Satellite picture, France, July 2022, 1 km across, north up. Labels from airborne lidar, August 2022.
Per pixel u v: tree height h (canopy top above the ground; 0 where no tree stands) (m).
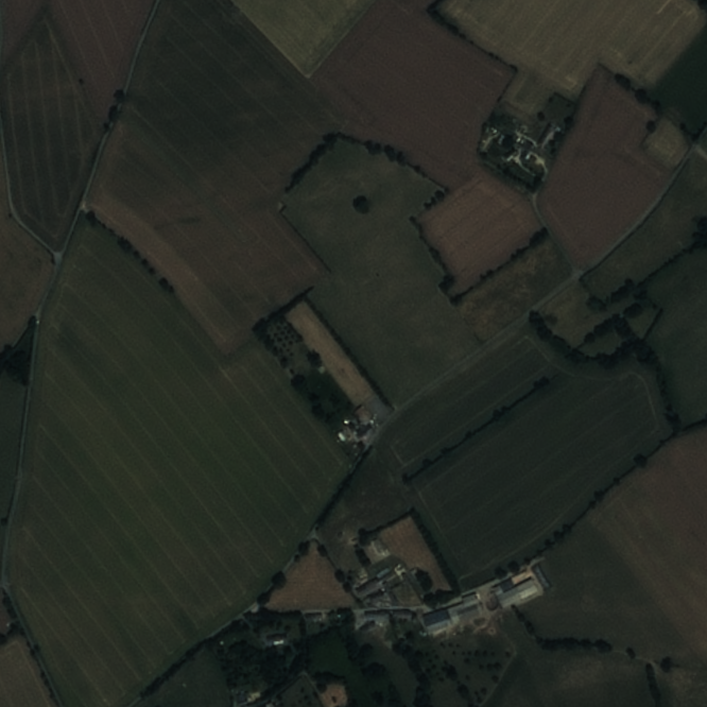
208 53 0
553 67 0
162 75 0
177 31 0
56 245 0
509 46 0
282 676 7
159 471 0
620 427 0
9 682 0
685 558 0
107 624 0
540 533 0
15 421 0
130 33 0
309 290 6
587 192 0
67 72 0
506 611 0
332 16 0
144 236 0
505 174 10
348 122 0
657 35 0
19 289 0
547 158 0
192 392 0
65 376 0
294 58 0
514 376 0
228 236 0
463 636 0
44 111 0
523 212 0
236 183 0
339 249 0
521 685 0
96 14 0
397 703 8
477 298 0
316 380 0
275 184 0
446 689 0
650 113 0
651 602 0
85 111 0
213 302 0
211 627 0
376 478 0
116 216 0
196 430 0
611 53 0
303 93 0
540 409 0
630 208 0
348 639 11
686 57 0
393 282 0
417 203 0
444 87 0
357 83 0
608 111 0
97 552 0
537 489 0
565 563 0
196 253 0
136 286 0
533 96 0
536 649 0
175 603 0
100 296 0
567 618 0
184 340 0
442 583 0
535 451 0
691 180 0
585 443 0
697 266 0
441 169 0
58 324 0
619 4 0
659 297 0
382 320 0
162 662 0
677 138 0
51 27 0
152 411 0
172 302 0
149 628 0
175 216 0
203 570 0
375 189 0
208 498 0
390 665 0
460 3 0
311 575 0
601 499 14
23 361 11
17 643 0
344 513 0
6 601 11
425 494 0
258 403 0
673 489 0
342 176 0
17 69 0
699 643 0
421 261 0
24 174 0
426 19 0
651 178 0
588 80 0
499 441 0
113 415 0
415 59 0
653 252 0
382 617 0
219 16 0
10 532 0
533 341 0
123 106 0
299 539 0
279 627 7
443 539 0
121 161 0
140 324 0
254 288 0
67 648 0
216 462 0
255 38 0
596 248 0
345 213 0
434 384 0
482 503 0
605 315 0
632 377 0
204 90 0
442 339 0
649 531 0
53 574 0
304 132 0
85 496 0
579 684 0
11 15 0
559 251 0
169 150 0
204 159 0
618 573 0
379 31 0
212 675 0
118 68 0
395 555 0
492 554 0
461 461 0
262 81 0
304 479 0
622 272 0
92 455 0
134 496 0
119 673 0
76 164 0
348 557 0
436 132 0
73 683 0
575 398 0
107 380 0
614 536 0
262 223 0
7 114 0
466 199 0
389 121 0
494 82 0
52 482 0
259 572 0
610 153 0
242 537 0
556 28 0
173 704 0
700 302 0
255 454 0
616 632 0
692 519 0
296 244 0
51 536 0
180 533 0
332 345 0
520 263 0
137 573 0
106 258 0
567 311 0
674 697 0
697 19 0
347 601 0
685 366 0
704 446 0
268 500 0
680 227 0
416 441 0
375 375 0
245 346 0
